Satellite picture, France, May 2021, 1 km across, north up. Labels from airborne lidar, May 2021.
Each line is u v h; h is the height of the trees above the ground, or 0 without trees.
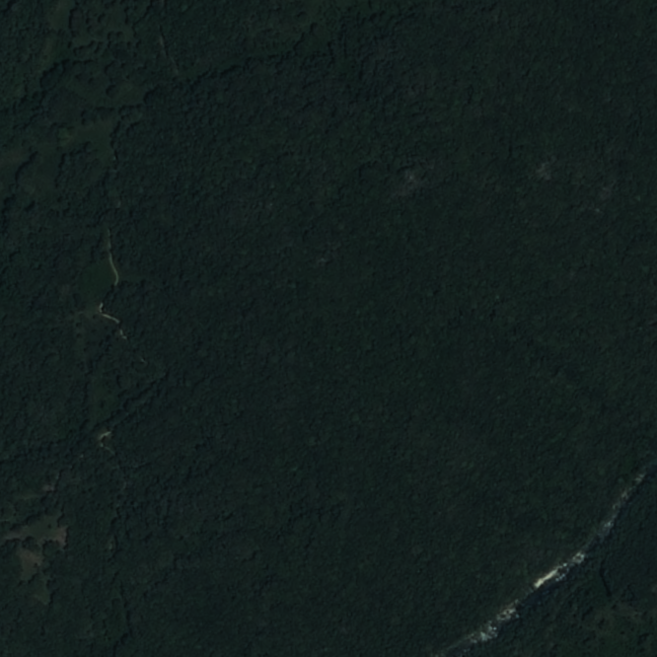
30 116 15
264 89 14
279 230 13
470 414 13
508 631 15
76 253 14
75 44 11
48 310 12
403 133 11
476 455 11
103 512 14
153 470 15
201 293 6
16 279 13
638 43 9
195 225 8
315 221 10
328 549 7
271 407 6
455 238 8
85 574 15
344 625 13
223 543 17
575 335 12
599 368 9
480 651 12
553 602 12
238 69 14
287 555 12
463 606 13
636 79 9
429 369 6
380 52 12
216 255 8
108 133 0
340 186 7
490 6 6
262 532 11
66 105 12
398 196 7
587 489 12
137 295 10
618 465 13
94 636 11
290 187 6
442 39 15
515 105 11
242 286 10
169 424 7
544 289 7
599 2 11
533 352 12
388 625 9
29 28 8
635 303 15
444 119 6
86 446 12
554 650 14
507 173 11
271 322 8
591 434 12
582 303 12
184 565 14
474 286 11
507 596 13
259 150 11
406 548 11
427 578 7
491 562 9
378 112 11
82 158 13
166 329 6
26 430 10
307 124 13
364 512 10
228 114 10
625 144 11
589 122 12
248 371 7
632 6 18
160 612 11
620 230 15
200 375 11
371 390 6
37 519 15
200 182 15
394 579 13
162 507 14
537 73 12
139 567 15
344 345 11
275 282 12
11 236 17
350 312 8
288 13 16
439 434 9
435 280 11
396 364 7
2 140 17
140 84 10
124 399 11
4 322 14
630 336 10
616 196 13
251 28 9
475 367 8
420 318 7
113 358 12
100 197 9
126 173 10
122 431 13
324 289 16
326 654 7
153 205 12
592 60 10
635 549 18
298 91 11
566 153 11
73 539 13
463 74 15
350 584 12
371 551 8
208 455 16
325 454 14
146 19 9
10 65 10
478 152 15
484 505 12
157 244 10
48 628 12
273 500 14
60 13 0
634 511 17
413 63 12
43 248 9
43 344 9
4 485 15
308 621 8
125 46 13
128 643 18
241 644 14
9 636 10
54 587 13
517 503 13
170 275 17
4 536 13
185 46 11
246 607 15
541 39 10
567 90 14
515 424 7
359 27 10
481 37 9
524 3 9
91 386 12
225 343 12
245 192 12
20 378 17
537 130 13
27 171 13
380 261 13
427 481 9
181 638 11
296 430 11
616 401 13
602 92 9
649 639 15
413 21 14
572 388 10
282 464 9
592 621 11
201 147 11
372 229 7
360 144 8
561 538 7
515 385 11
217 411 10
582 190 15
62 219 16
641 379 13
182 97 14
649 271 10
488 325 11
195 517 15
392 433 10
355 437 8
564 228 12
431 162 8
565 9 12
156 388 9
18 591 12
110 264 0
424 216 14
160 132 9
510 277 8
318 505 14
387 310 8
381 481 9
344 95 13
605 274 9
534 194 9
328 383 11
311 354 9
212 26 8
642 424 13
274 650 12
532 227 12
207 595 10
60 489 9
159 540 14
